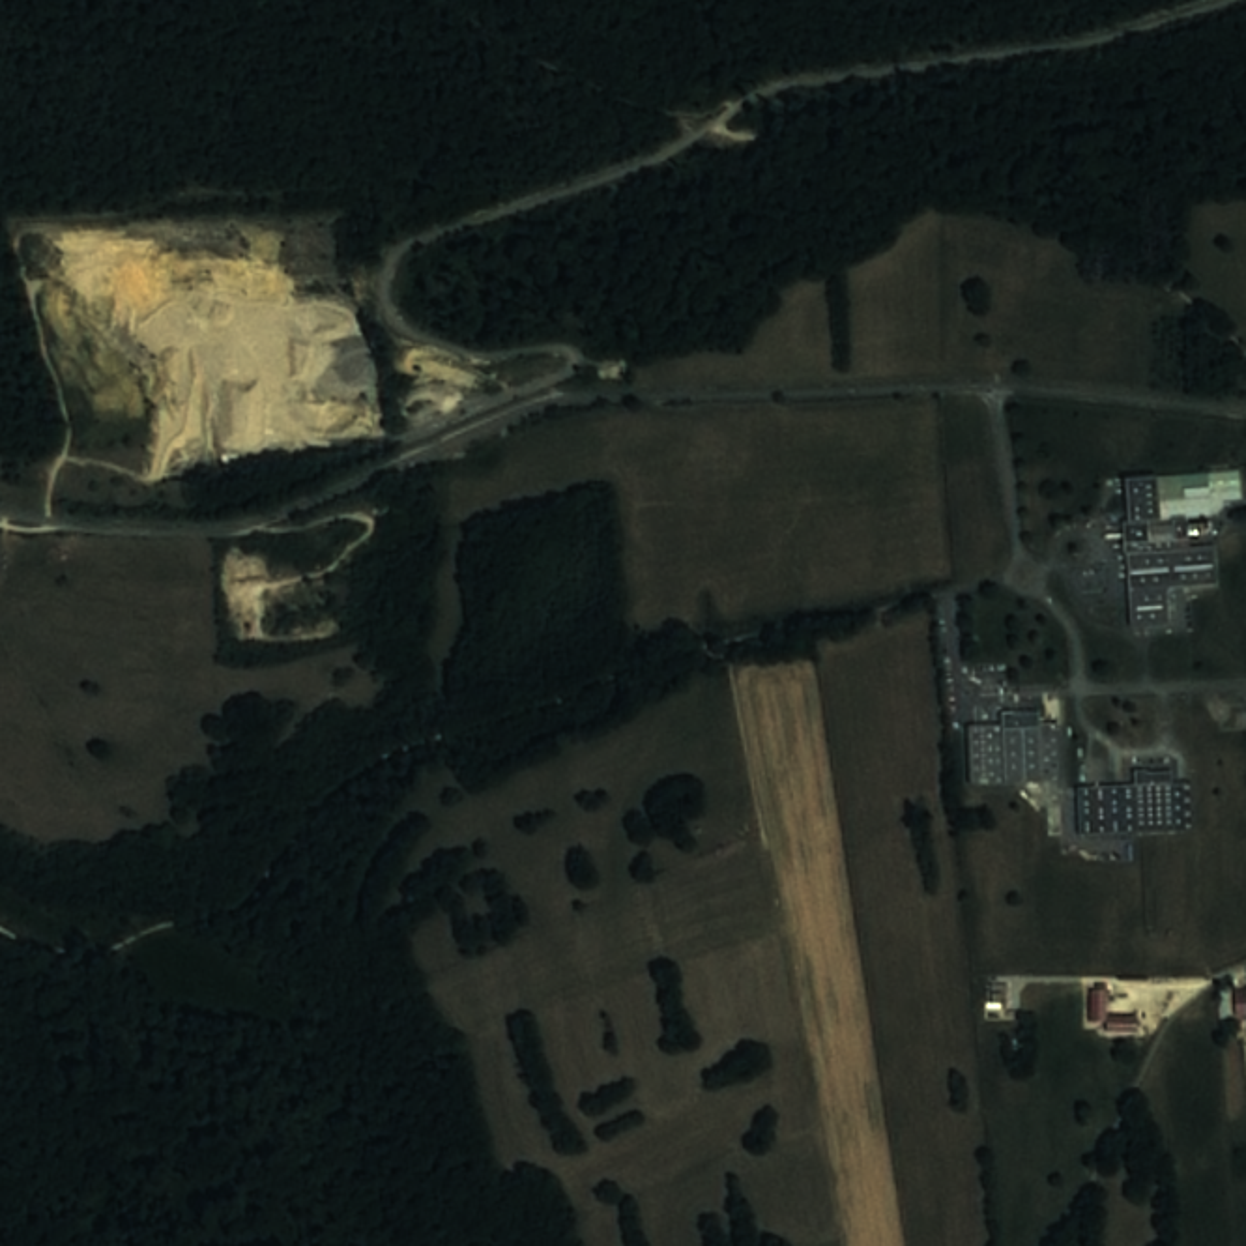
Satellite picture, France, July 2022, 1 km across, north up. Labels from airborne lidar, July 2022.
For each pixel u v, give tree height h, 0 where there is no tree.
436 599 19
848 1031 0
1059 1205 0
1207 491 0
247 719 20
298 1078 15
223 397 0
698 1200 0
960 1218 0
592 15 14
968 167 30
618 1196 12
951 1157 0
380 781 28
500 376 0
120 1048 30
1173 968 0
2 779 0
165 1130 24
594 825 0
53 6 19
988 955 0
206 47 17
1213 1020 0
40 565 0
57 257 0
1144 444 0
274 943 20
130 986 17
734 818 0
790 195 23
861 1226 0
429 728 22
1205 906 0
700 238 31
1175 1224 15
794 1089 0
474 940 15
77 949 25
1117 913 0
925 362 0
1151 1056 0
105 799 0
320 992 19
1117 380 0
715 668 14
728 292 18
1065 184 15
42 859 9
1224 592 0
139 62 16
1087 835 0
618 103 14
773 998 0
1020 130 27
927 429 0
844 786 0
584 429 0
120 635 0
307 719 6
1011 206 19
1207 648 0
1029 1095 0
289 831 27
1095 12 17
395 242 24
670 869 0
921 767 0
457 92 20
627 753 0
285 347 0
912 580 0
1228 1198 0
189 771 11
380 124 20
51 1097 24
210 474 16
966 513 0
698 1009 0
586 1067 0
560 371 0
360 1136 27
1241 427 0
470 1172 20
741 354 13
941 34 22
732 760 0
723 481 0
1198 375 10
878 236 19
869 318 0
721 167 22
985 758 0
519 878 0
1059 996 0
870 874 0
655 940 0
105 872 17
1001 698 0
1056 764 0
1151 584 0
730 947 0
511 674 10
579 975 0
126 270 0
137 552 0
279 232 0
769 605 0
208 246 0
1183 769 0
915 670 0
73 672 0
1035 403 0
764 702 0
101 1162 31
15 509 0
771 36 20
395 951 19
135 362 0
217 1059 25
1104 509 0
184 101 15
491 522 14
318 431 0
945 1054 0
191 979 0
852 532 0
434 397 0
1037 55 8
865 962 0
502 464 0
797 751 0
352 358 0
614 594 11
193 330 0
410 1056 17
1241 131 23
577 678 21
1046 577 0
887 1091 0
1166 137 22
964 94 21
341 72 19
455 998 0
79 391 0
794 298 0
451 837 0
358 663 12
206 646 0
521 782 0
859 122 24
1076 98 21
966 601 12
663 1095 0
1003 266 0
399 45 18
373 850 14
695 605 0
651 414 0
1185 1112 0
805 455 0
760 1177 0
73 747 0
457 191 27
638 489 0
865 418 0
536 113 22
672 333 15
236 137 10
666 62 17
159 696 0
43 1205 18
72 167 19
